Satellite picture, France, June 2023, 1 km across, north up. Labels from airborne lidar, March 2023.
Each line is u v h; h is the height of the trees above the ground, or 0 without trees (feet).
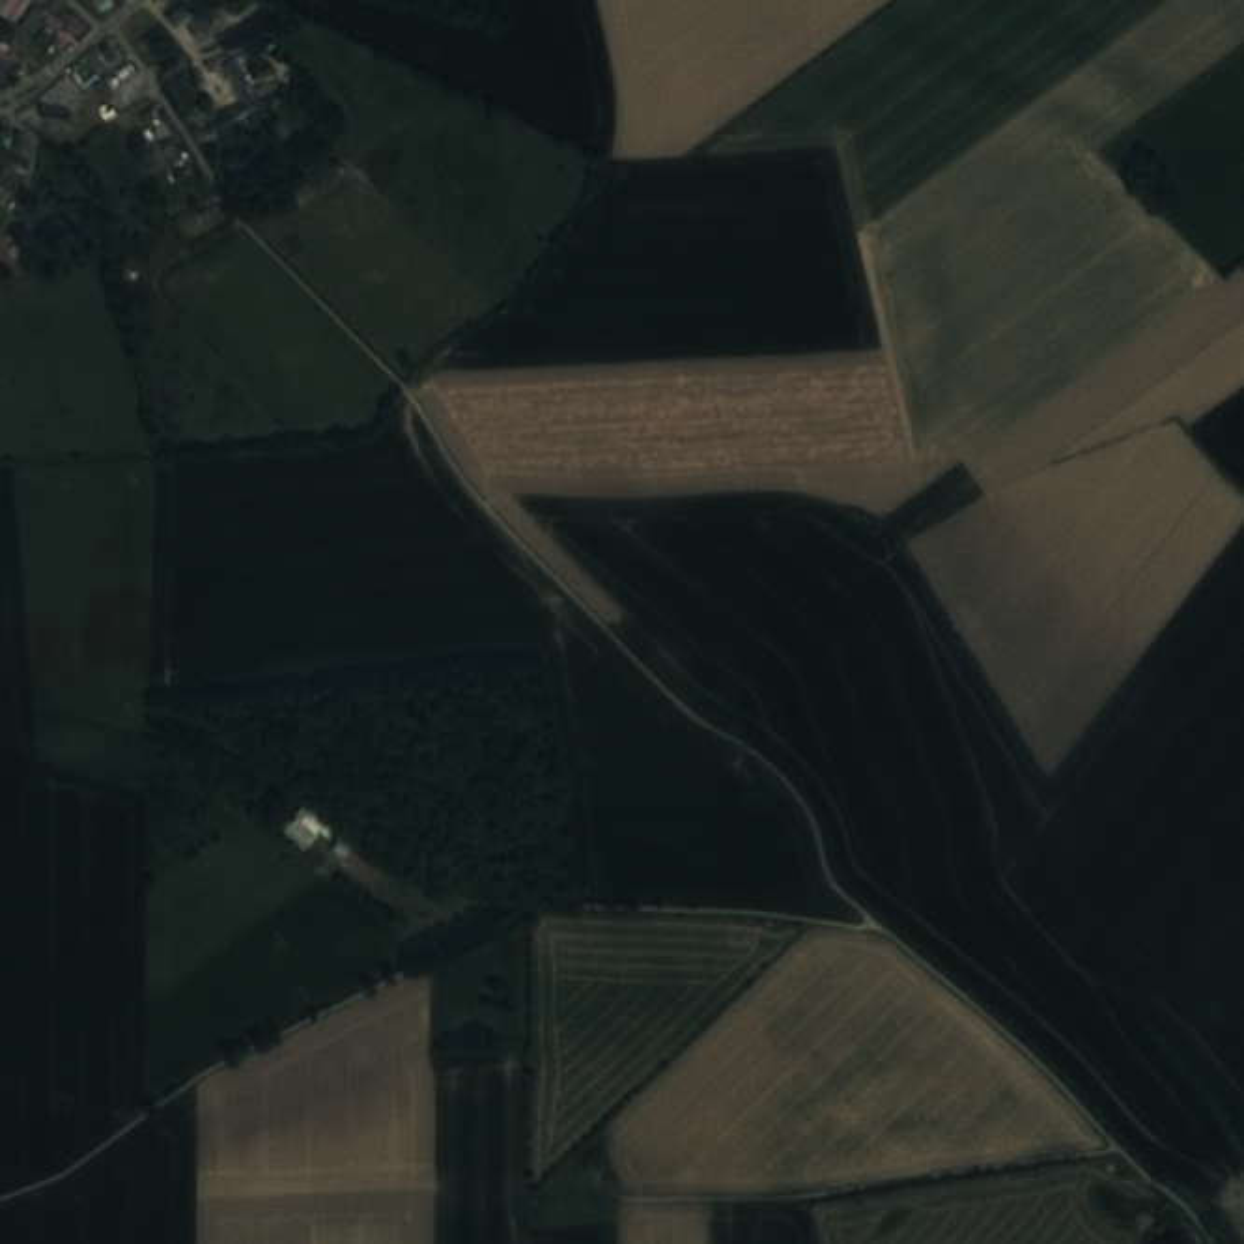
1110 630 0
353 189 0
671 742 0
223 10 0
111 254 64
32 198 52
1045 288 0
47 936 0
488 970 0
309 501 0
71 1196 0
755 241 0
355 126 0
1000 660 0
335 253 0
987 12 0
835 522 0
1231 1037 0
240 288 0
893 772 0
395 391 34
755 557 0
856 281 0
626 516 0
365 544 0
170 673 0
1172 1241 0
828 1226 0
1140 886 0
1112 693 0
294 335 0
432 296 0
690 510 0
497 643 0
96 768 0
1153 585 0
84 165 43
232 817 0
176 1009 0
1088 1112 0
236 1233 0
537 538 0
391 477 0
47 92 0
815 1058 0
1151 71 0
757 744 0
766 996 0
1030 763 0
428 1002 0
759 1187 0
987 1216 0
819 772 0
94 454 0
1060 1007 0
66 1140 0
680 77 0
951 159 0
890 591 0
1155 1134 0
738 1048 0
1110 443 0
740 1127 0
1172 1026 0
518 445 0
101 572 0
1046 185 0
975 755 0
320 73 0
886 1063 0
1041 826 0
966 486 0
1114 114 0
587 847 0
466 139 0
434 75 30
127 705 0
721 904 0
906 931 0
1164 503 0
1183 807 0
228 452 50
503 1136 0
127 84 0
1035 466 0
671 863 0
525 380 0
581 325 0
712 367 0
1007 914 0
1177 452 0
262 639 0
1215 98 0
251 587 0
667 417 0
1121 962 0
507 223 0
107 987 0
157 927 0
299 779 79
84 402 0
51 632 0
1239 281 0
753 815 0
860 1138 0
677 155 0
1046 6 0
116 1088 0
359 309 0
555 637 0
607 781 0
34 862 0
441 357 0
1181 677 0
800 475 0
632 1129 0
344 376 0
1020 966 0
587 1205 0
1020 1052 0
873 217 0
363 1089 0
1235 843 0
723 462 0
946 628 0
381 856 63
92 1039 0
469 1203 0
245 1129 0
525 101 0
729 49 0
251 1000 0
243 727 83
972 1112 0
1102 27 0
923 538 0
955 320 0
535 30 0
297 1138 0
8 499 0
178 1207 0
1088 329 0
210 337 0
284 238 0
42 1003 0
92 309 0
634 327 0
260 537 0
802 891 0
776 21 0
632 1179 0
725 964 0
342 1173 0
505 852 77
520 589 0
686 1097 0
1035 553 0
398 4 54
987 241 0
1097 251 0
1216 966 0
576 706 0
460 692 86
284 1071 0
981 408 0
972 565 0
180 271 0
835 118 0
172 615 0
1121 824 0
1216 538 0
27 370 0
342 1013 0
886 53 0
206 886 0
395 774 89
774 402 0
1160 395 0
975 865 0
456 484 0
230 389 0
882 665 0
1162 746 0
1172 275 0
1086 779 0
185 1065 0
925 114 0
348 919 0
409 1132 0
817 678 0
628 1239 0
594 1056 0
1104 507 0
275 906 0
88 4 0
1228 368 0
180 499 0
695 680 0
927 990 0
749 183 0
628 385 0
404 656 0
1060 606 0
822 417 0
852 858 0
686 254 0
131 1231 0
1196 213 0
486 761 81
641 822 0
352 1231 0
